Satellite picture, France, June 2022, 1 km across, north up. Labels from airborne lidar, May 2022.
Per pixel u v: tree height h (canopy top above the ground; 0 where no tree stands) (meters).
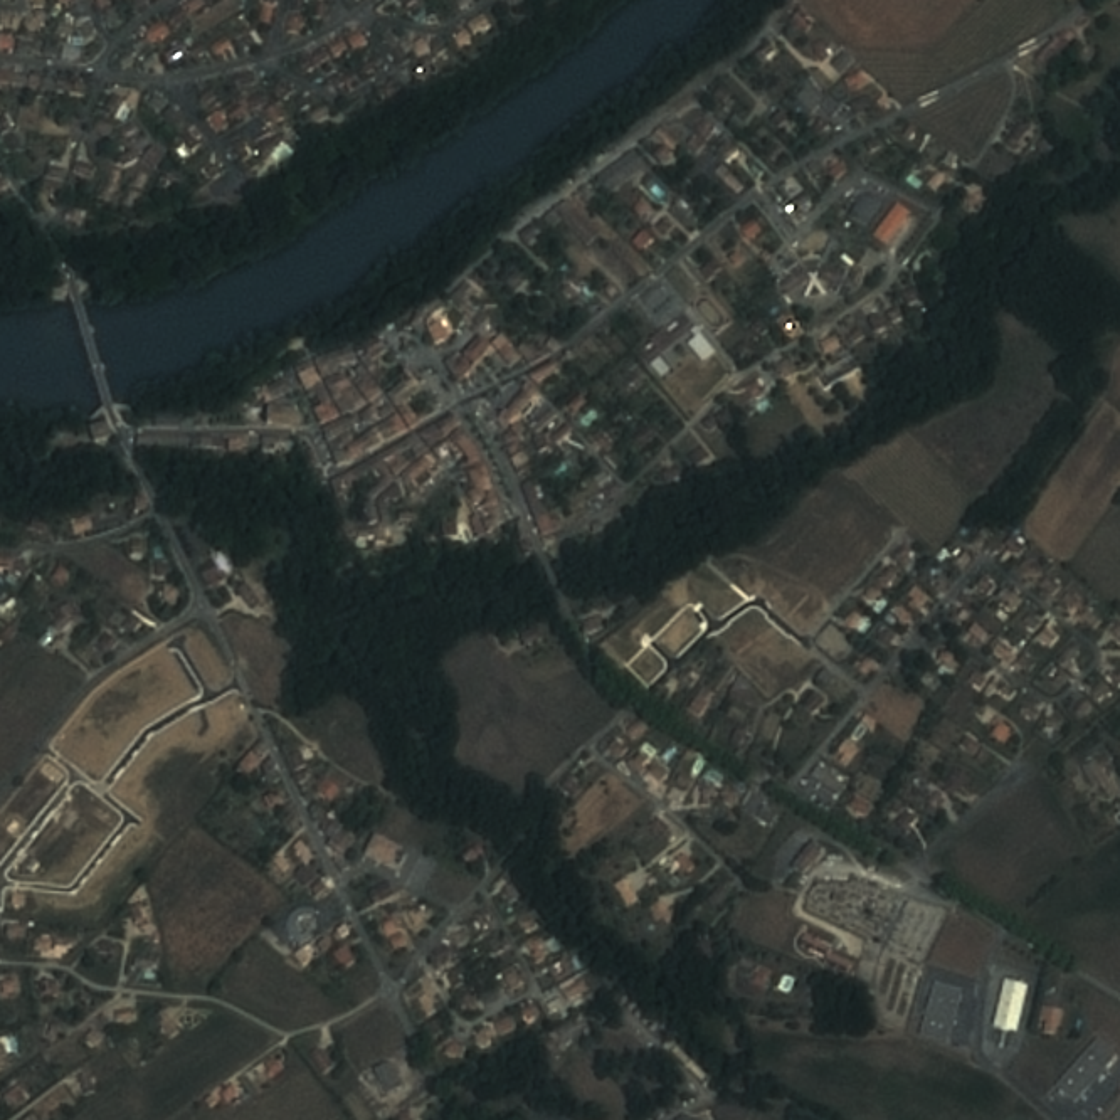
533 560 11
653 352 0
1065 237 13
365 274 12
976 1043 0
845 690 0
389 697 24
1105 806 6
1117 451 0
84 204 8
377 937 6
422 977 0
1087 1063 0
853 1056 0
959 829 0
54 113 6
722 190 7
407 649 16
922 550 9
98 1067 0
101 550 0
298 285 0
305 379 0
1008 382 0
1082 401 8
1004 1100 0
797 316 7
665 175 6
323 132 9
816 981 13
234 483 27
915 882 0
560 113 0
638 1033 0
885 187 0
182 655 0
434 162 0
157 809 0
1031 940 17
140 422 7
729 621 0
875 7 0
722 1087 16
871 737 0
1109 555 0
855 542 0
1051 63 12
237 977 0
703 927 14
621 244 0
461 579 27
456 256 14
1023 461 9
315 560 25
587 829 0
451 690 12
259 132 0
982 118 0
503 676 0
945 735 0
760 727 0
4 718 0
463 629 8
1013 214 28
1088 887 0
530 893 16
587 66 0
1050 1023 0
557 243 14
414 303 14
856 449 17
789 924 0
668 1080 25
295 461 12
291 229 12
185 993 0
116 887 0
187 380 25
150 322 0
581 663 11
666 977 17
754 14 13
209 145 0
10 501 26
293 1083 0
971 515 12
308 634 23
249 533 15
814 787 0
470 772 11
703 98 10
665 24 0
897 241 0
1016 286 16
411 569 22
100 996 6
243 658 0
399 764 18
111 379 0
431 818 13
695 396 0
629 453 7
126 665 0
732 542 22
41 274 12
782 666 0
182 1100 0
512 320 7
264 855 7
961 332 30
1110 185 17
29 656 0
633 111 6
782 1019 7
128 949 0
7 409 27
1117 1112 0
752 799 0
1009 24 0
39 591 0
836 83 0
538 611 17
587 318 13
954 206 12
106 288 43
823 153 0
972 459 0
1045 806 0
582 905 17
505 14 12
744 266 0
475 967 6
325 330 9
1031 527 0
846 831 21
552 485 8
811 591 0
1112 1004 0
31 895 0
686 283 0
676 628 0
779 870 0
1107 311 16
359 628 18
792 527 0
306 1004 0
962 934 0
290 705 19
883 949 0
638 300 0
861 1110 0
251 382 12
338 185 28
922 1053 0
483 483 0
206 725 0
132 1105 0
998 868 0
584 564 34
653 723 24
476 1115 25
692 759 0
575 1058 0
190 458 19
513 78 8
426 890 0
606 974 11
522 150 0
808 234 0
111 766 0
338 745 0
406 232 0
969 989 0
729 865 10
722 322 0
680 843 0
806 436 22
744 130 10
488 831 18
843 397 19
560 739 0
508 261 10
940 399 23
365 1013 0
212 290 0
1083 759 0
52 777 0
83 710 0
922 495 0
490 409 0
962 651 12
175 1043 0
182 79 0
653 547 26
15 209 10
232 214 23
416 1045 22
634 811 0
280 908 0
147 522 7
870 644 14
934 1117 0
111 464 17
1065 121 0
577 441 0
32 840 0
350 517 6
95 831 0
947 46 0
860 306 0
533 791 15
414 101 21
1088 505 0
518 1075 18
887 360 16
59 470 24
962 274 28
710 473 19
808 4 0
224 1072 0
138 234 19
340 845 0
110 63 0
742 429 16
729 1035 0
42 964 0
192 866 0
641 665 0
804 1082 0
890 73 0
